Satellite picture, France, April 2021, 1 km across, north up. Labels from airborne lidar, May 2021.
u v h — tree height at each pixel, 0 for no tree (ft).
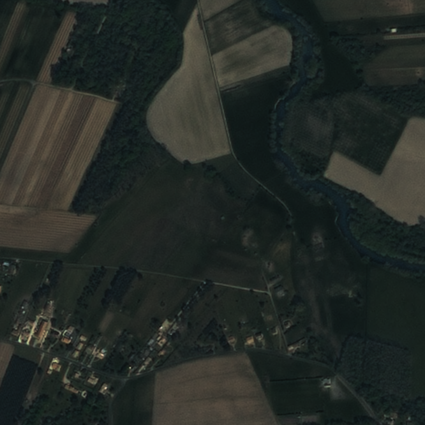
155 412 0
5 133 0
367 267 0
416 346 0
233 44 0
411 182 0
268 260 0
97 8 40
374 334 0
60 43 0
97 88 38
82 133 0
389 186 0
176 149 0
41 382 0
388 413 72
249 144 0
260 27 0
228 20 0
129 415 0
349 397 0
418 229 30
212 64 0
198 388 0
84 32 34
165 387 0
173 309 0
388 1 0
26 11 0
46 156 0
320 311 0
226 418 0
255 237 0
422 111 31
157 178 0
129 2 50
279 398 0
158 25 63
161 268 0
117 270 0
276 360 0
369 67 0
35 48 0
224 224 0
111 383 0
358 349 63
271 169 0
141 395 0
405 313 0
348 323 0
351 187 0
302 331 0
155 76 37
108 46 45
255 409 0
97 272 24
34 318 0
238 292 0
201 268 0
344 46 31
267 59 0
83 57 51
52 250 0
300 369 0
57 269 39
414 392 0
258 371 0
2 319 0
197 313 0
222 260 0
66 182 0
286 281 0
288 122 36
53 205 0
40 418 55
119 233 0
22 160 0
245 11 0
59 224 0
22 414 46
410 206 0
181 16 0
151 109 0
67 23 0
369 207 60
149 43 34
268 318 0
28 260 0
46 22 0
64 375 0
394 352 80
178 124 0
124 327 0
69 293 0
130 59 62
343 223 0
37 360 0
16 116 0
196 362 0
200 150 0
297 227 0
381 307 0
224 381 0
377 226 37
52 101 0
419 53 0
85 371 20
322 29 0
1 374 0
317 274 0
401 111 35
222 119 0
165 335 38
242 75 0
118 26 31
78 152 0
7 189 0
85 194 60
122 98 26
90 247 0
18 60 0
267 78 0
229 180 0
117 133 67
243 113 0
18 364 26
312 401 0
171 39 62
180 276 0
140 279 47
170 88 0
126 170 65
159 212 0
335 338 0
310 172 28
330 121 91
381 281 0
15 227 0
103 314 0
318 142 84
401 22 0
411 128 0
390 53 0
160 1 49
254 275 0
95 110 0
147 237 0
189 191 0
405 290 0
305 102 65
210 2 0
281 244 0
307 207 0
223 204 0
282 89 0
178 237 0
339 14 0
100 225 0
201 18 0
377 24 0
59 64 0
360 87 36
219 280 0
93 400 73
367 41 0
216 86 0
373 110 51
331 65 0
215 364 0
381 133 0
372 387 57
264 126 0
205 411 0
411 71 0
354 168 0
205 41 0
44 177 0
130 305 0
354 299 0
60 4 60
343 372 65
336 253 0
